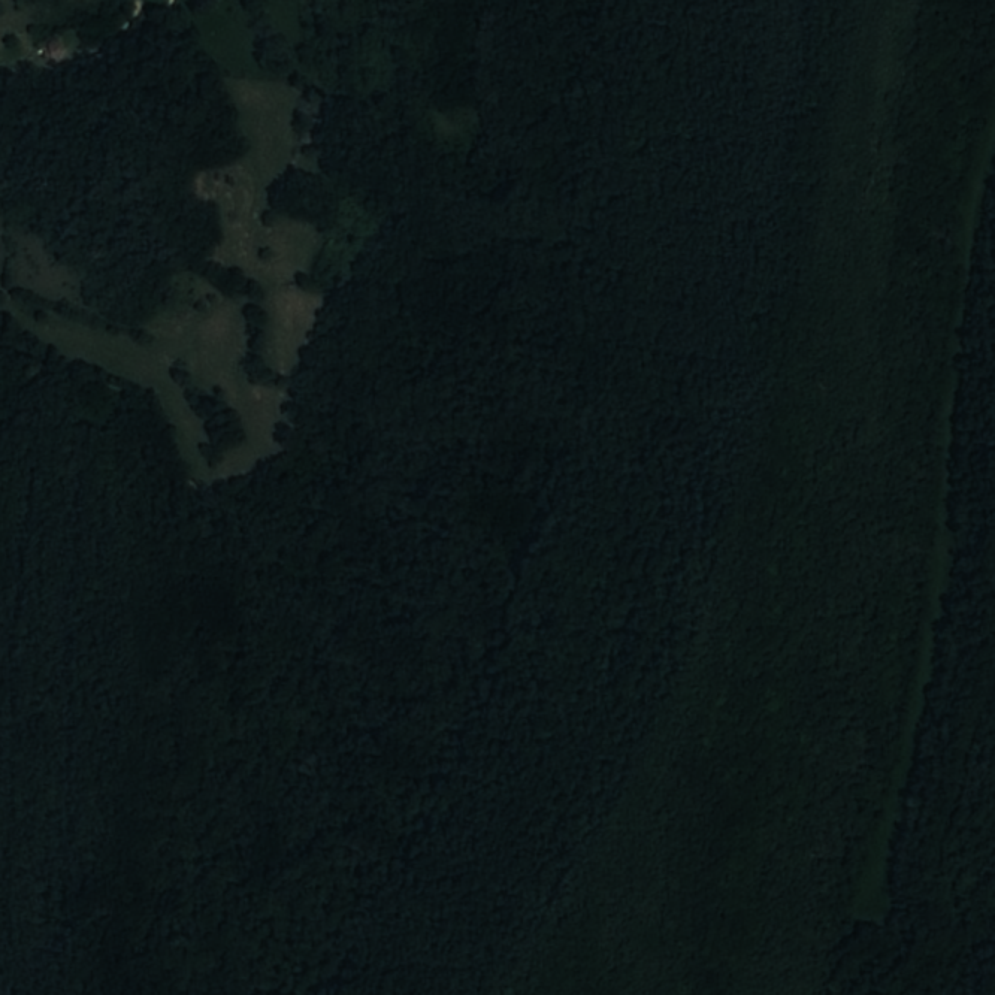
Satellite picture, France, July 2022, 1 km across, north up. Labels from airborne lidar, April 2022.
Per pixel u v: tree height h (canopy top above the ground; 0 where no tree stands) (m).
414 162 25
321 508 7
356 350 23
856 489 15
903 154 8
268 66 18
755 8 13
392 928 28
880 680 17
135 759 13
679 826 13
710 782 16
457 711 28
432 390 26
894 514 17
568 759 24
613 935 11
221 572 28
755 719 22
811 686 16
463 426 27
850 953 26
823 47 16
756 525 19
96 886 23
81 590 20
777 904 14
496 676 18
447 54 7
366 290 23
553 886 11
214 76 26
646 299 17
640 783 7
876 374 11
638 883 11
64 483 12
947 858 15
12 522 13
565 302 21
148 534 17
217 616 22
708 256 16
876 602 17
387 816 28
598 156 27
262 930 24
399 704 24
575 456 23
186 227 20
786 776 16
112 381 10
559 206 27
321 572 16
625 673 26
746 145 15
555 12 26
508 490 21
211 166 20
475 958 18
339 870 28
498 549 27
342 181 20
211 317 0
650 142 18
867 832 9
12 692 14
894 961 13
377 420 27
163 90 24
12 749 14
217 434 25
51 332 0
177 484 28
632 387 15
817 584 8
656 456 20
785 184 12
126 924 22
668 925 15
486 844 22
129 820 17
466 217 26
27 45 0
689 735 14
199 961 21
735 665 16
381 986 24
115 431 11
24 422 21
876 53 5
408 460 25
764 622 16
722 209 16
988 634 20
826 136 9
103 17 9
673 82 17
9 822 20
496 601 28
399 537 20
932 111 24
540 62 20
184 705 27
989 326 25
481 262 25
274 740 22
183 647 21
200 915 27
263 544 23
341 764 16
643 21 18
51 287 0
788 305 16
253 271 0
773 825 18
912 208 19
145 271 18
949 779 18
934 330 20
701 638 13
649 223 21
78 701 16
